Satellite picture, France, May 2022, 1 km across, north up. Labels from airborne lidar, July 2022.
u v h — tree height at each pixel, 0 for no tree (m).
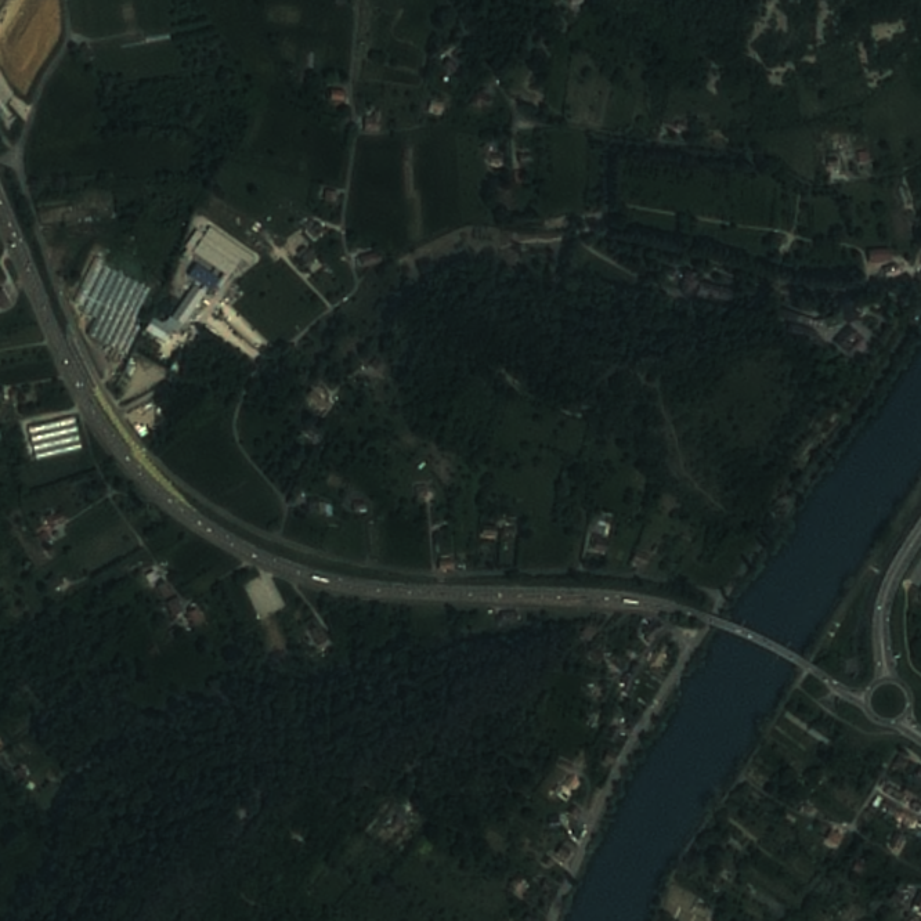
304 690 19
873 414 6
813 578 0
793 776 12
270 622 0
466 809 23
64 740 31
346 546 0
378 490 0
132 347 6
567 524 9
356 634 11
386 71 0
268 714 17
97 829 31
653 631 0
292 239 0
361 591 0
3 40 0
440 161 0
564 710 7
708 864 18
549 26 14
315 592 0
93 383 0
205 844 15
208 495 0
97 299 0
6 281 0
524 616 0
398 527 0
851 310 0
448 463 0
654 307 21
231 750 21
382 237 0
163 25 0
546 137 7
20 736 0
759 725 17
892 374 16
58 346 0
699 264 19
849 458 0
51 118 0
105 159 0
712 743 0
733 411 7
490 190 21
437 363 20
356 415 11
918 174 7
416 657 23
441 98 6
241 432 0
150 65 0
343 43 0
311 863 11
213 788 12
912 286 22
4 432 6
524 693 24
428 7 0
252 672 15
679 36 17
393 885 15
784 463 21
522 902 6
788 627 0
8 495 0
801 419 16
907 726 0
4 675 11
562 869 0
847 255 7
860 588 0
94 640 8
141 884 20
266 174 0
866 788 10
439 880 6
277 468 9
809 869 0
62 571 0
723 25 19
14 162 0
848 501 0
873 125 0
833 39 6
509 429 0
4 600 12
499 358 8
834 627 0
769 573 0
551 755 9
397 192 0
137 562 0
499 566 8
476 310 6
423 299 16
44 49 0
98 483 7
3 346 0
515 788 16
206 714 29
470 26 12
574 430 0
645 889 0
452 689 17
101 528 0
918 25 8
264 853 17
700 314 22
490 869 11
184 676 0
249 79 12
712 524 9
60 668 17
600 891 0
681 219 14
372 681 22
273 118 0
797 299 30
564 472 6
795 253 7
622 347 16
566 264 20
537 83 8
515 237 0
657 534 0
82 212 0
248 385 12
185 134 16
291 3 0
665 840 0
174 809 26
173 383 7
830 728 9
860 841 21
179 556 0
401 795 13
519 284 18
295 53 0
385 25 0
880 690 0
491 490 9
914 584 0
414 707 17
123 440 0
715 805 19
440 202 0
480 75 13
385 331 9
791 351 14
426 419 7
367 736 19
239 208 0
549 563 0
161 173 7
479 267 20
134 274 0
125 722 32
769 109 7
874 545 7
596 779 12
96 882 26
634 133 7
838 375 23
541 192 10
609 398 10
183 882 23
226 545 0
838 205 11
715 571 0
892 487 0
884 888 6
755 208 0
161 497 0
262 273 0
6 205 0
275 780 17
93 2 0
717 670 0
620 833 0
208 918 15
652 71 11
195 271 0
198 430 0
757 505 16
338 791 13
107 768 27
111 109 12
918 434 0
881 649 0
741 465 10
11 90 0
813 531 0
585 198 7
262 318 0
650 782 0
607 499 0
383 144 0
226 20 0
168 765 28
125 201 0
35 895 34
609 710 9
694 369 9
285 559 0
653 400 11
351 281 0
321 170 0
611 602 0
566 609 0
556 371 17
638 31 15
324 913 12
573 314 25
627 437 6
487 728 23
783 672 0
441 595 0
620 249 15
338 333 17
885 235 7
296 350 14
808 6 7
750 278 18
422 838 9
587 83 7
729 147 7
